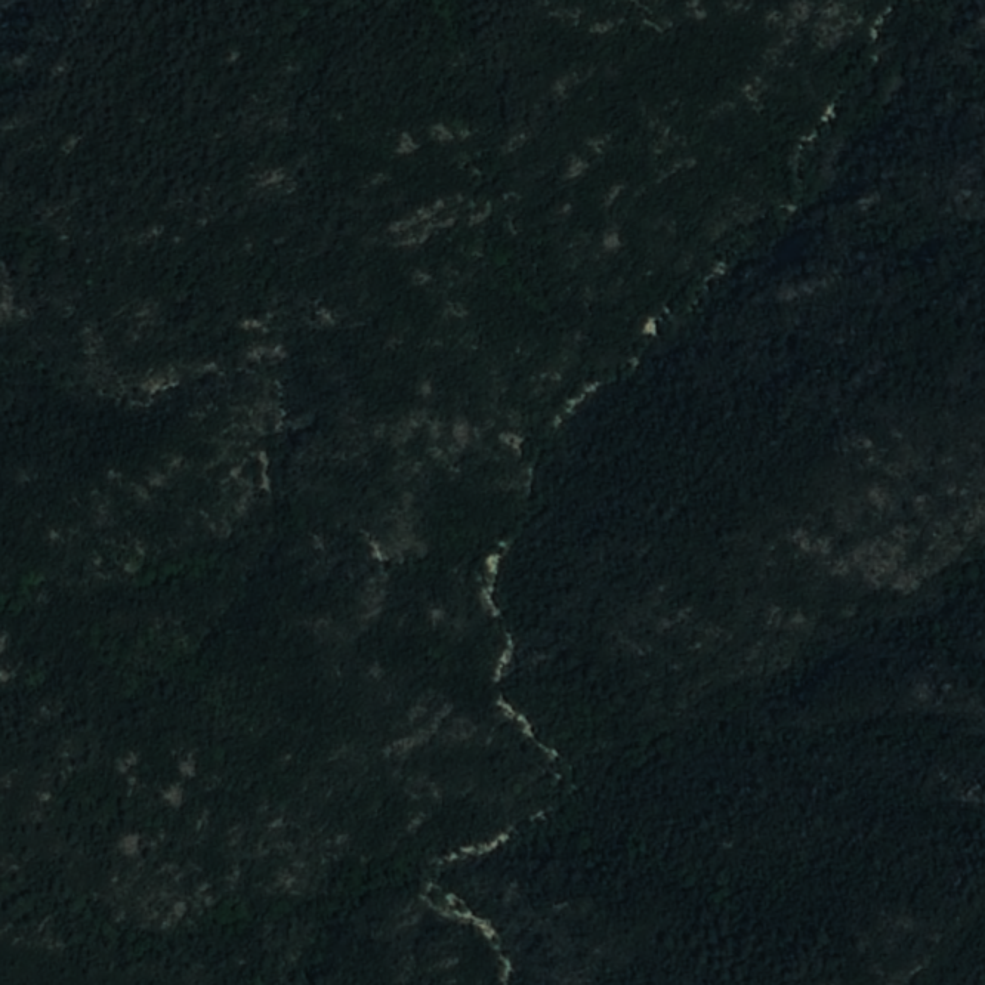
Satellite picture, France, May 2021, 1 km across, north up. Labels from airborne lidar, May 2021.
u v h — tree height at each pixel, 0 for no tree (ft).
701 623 25
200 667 35
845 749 35
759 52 23
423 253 29
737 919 57
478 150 21
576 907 18
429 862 24
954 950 28
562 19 20
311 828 24
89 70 78
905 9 62
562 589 36
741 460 27
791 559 20
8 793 21
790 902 40
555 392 32
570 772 65
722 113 20
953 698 22
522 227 40
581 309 62
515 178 24
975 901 49
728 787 30
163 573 40
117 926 40
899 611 27
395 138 25
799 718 24
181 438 27
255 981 66
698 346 18
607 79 20
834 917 37
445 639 33
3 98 38
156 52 45
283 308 36
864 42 28
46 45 21
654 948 24
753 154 44
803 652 29
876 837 25
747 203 19
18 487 28
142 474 26
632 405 43
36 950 21
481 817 43
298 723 48
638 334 62
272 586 23
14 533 46
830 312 23
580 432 23
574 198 24
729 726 66
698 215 39
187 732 34
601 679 36
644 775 41
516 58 18
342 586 22
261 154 39
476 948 28
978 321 25
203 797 22
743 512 29
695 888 60
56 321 60
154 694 33
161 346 38
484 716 24
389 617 33
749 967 31
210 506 24
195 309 89
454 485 20
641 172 51
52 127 58
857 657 29
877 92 57
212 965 30
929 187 19
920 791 36
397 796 47
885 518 18
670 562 22
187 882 26
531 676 41
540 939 21
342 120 26
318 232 27
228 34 28
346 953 29
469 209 24
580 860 44
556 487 32
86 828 31
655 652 19
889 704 21
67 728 24
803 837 59
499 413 19
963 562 31
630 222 29
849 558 19
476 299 34
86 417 31
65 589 23
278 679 21
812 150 58
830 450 25
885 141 20
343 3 61
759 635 29
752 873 38
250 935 23
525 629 42
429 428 22
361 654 32
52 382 41
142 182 64
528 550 26
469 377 43
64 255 92
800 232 22
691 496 31
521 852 26
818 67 44
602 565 32
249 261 43
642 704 43
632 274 50
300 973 50
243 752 35
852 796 23
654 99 23
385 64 67
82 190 66
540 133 20
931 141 30
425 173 37
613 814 51
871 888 42
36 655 47
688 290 79
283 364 33
